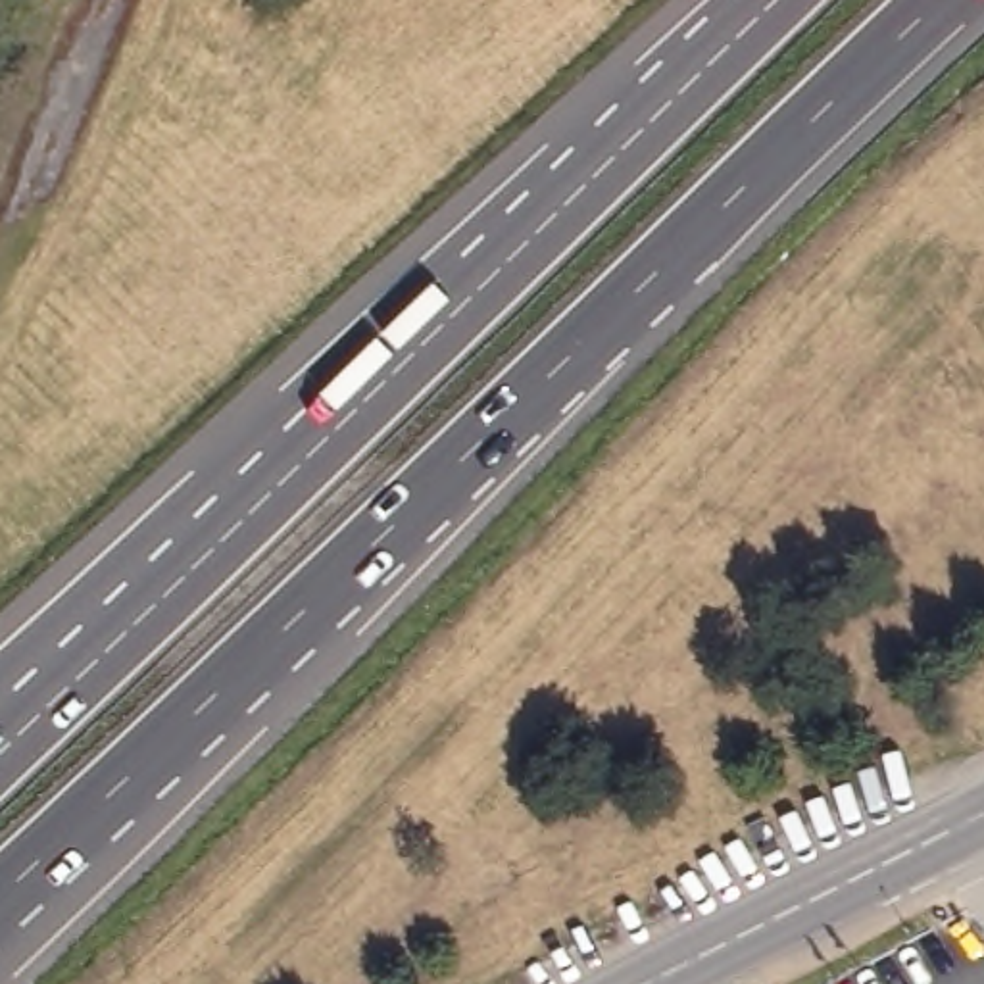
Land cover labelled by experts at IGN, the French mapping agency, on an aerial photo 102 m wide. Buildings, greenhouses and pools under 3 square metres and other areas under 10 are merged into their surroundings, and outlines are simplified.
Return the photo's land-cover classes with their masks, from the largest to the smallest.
<instances>
[{"label":"agricultural land","instance_id":"1","mask_svg":"<svg viewBox=\"0 0 984 984\"><path fill-rule=\"evenodd\" d=\"M630 0H138L135 27L123 42L119 65L100 96L96 119L69 169V181L54 196V208L42 204L15 223H0V577H8L27 557V550L42 546L46 534H54L77 507H85L123 465H131L138 450L165 434L208 388H215L234 369L242 354H250L265 334H273L296 308H304L350 258H357L384 227H392L484 135H492L496 123L519 111L527 96H534L557 73V65L580 54ZM892 169H880V188L861 196V204L838 223V231H819L800 258L780 254L773 288H765L730 323V331L715 338L707 354L696 357V365L677 381V388L665 400H657L623 427L600 469H592L565 500H557L546 511L550 534L542 538V546L519 554L450 630H438L423 646V653L407 665L396 696L357 707L342 738L334 746L315 750L273 796H265L242 819V826L231 838H223L211 849V857L196 865L169 892V899L142 919L138 930H131L100 953L96 969L81 984H369L361 969L365 938L404 934L419 915L442 919L457 942V965L450 969V976L423 984H530L534 965L550 961L554 949L573 946V930H588L592 942H619V907H634L642 919H657L665 907V888L680 884L692 869H700L703 857L723 853L730 842L746 846L750 853H773L784 842V815L807 811L811 800H823L826 811L838 807L834 788L823 769L803 765L788 711L757 707L750 688L719 692L700 669L711 653L726 646L730 634L746 630L742 603L757 596L765 584H773L784 569H811L823 554H853L888 534L892 554L899 557L896 603L869 607L842 627V634H826V650L849 661L853 703L865 707L869 723L896 742L892 753L903 757L907 776L984 753V661L965 684H953L949 696L957 723L946 734H926L911 707L892 700L888 684L911 673V661L919 653H953V638L961 627L984 623V85L965 104H953L946 115H938L930 131L896 146L888 161ZM534 688H557L588 715H650L653 730L661 734V746L684 773L680 807L646 830L630 826V819L611 800L580 819L538 823L519 803V792L507 784L504 753L511 715ZM761 730H769L780 742L784 780L761 792L757 800H742L719 776V765H750ZM407 819L431 823L446 853L438 873H411V865L400 857L396 826Z\"/></svg>","mask_w":984,"mask_h":984},{"label":"impervious surface","instance_id":"2","mask_svg":"<svg viewBox=\"0 0 984 984\"><path fill-rule=\"evenodd\" d=\"M834 0H665L534 127H527L411 238H404L338 304H331L154 477H146L111 515H104L100 527H92L65 557H58L23 596H15L0 611V807L27 780H35L69 746V738L92 715L111 707L154 661L169 677V684L158 696H150L92 757H85L35 811H27L0 838V984H35L38 972H46L69 949L73 938H81L131 884H138L142 873H150L161 861V853H169L196 826V819L208 807H215L373 650V642L515 500V492H523L530 477L542 473L573 442V434L596 411H603V404L638 369H646L665 350V342H673L684 331V323L719 292V284L753 250H761L811 200H819L823 188L865 146L880 138V131L903 119L949 65H957L972 46L984 42V0H873V8L861 12V19H853L776 100H769L646 227H638V234L619 254H611L511 357L496 365V373H488L404 461L388 465L373 450L427 396H434L488 334H496L646 181H653L680 154V146L696 131H703ZM838 807L826 811L823 800H811L807 811L784 815V842L773 853H750L746 846L730 842L723 853L703 857L700 869H692L680 884L665 888V907L657 919H642L634 907H619V942H592L588 930H573V946L554 949L550 961L534 965L530 984H788L873 942L896 923L907 934L903 949H888L876 961V972L861 969L830 984H984V753L907 776L903 757L892 753H884V761L865 769L857 780L834 788Z\"/></svg>","mask_w":984,"mask_h":984},{"label":"herbaceous vegetation","instance_id":"3","mask_svg":"<svg viewBox=\"0 0 984 984\"><path fill-rule=\"evenodd\" d=\"M665 0H630L580 54L557 65V73L534 96H527L519 111L496 123L492 135H484L392 227H384L357 258H350L304 308H296L273 334H265L250 354H242L234 369L215 388H208L165 434L138 450L131 465H123L85 507H77L54 534H46L42 546L27 550V557L8 577H0V611L15 596H23L58 557H65L92 527H100L104 515H111L146 477H154L331 304H338L404 238H411L527 127H534ZM873 8V0H834L703 131H696L680 146V154L653 181H646L496 334H488L434 396H427L373 450L388 465L404 461L488 373H496V365L511 357L611 254H619L638 234V227H646L769 100H776L853 19H861V12ZM984 85V42L972 46L957 65H949L903 119L880 131V138L865 146L823 188L819 200H811L761 250H753L719 284V292L684 323V331L673 342H665V350L646 369H638L603 404V411H596L573 434V442L542 473L530 477L523 492H515V500L373 642V650L215 807H208L196 819V826L169 853H161V861L150 873H142L138 884H131L81 938H73L69 949L46 972H38L35 984H81L96 969L100 953L131 930H138L142 919L169 899V892L196 865L211 857V849L223 838H231L242 826V819L265 796H273L315 750L334 746L342 738L357 707L396 696L407 665L423 653V646L438 630H450L519 554L542 546V538L550 534L546 511L557 500H565L592 469H600L623 427L657 400H665L677 388V381L696 365V357L707 354L715 338L730 331V323L765 288H773L780 254L800 258L819 231H838V223L861 204V196L880 188V169H892L888 161L896 146L930 131L938 115H946L953 104H965ZM169 684V677L154 661L111 707L92 715L69 738V746L35 780H27L0 807V838L27 811H35L85 757H92L150 696H158ZM907 934L896 923L873 942L788 984H830L861 969L876 972V961L888 949H903Z\"/></svg>","mask_w":984,"mask_h":984},{"label":"deciduous trees","instance_id":"4","mask_svg":"<svg viewBox=\"0 0 984 984\"><path fill-rule=\"evenodd\" d=\"M35 0H0V85L27 58L23 31ZM899 557L892 554L888 534L853 554H823L811 569H784L773 584H765L757 596L742 603L746 630L730 634L726 646L711 653L700 669L719 692L750 688L757 707L788 711L803 765L823 769L834 788L857 780L865 769L884 761V753H892L896 742L869 723L865 707L853 703L849 661L826 650V634H842V627L869 607L896 603ZM984 661V623L961 627L953 638V653H919L911 661V673L888 684L892 700L911 707L926 734H946L957 723L949 696L953 684H965ZM504 753L507 784L519 792V803L538 823L580 819L611 800L630 819V826L646 830L680 807L684 773L661 746V734L653 730L650 715H588L557 688H534L511 715ZM719 776L742 800H757L761 792L784 780L780 742L769 730H761L750 765H719ZM400 857L411 865V873H438L446 853L431 823L407 819L396 826ZM457 965V942L442 919L419 915L404 934L365 938L361 969L369 984H423L450 976V969Z\"/></svg>","mask_w":984,"mask_h":984},{"label":"pervious surface","instance_id":"5","mask_svg":"<svg viewBox=\"0 0 984 984\"><path fill-rule=\"evenodd\" d=\"M138 0H35L23 31L27 58L0 85V223H15L42 204L54 208V196L69 181V169L96 119L100 96L119 65L123 42L135 27Z\"/></svg>","mask_w":984,"mask_h":984}]
</instances>
